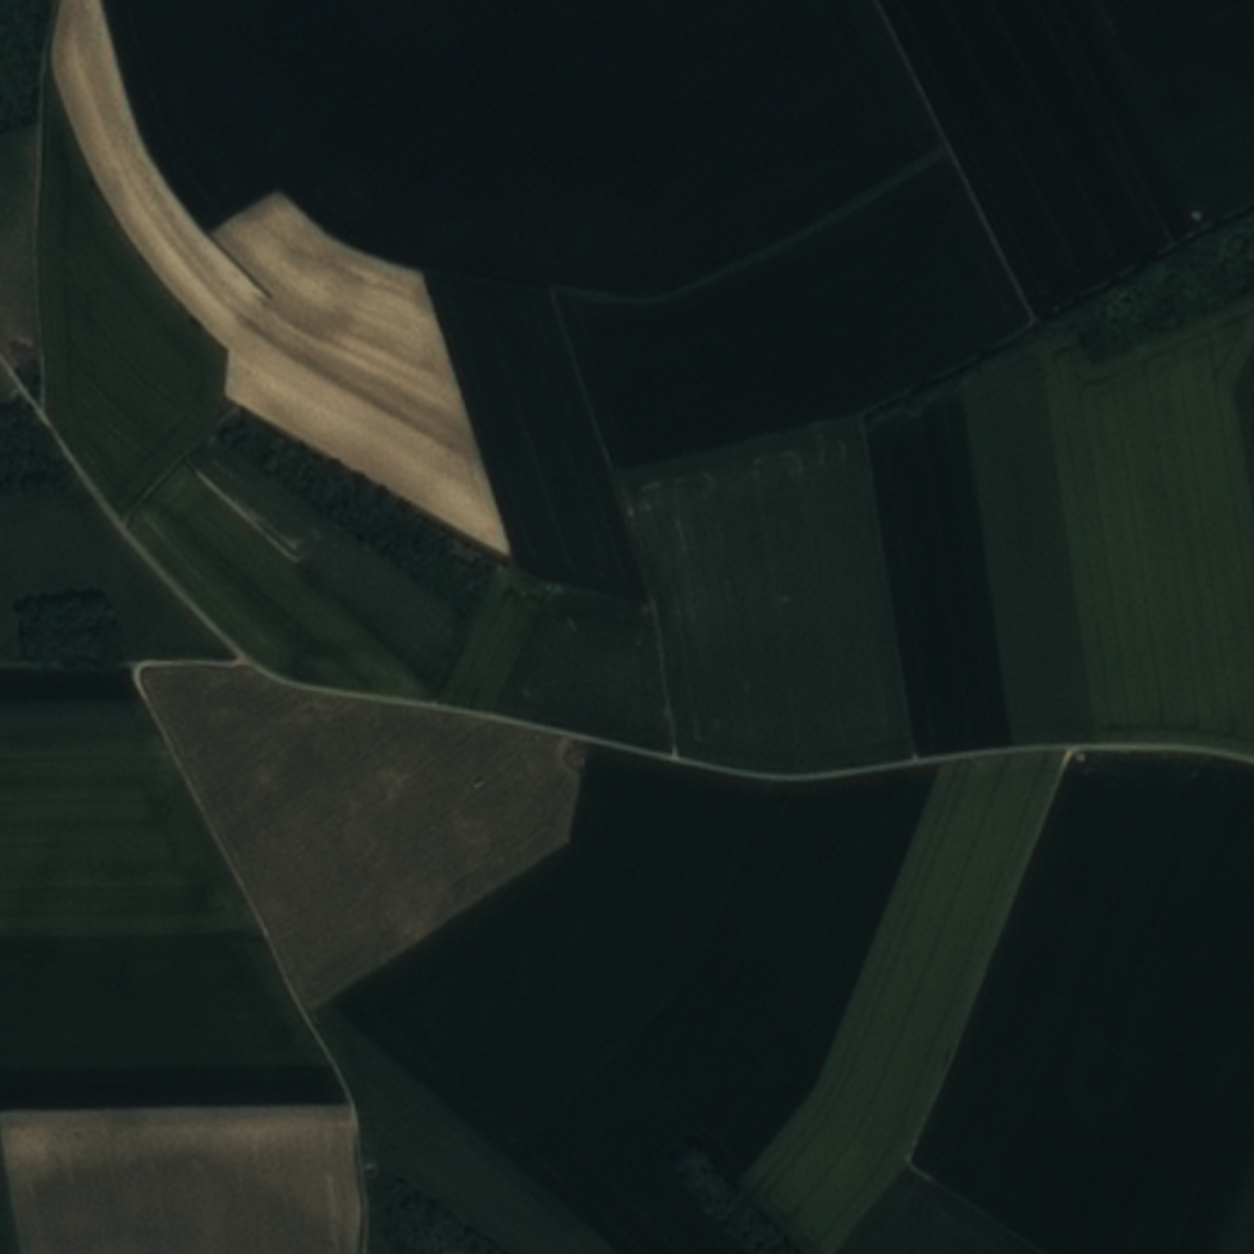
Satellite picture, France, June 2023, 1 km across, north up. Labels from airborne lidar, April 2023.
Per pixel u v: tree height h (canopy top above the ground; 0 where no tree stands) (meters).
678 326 0
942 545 0
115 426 0
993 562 0
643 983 0
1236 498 0
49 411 0
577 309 0
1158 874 0
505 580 0
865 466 0
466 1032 0
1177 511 0
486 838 0
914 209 0
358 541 10
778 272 0
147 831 0
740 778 0
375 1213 0
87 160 0
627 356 0
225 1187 0
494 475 0
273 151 0
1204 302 7
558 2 0
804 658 0
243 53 0
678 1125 0
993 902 0
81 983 0
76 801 0
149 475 0
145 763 0
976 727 0
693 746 0
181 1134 0
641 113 0
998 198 0
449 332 0
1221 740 0
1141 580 0
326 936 0
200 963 0
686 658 0
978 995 0
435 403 0
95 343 0
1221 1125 0
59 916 0
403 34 0
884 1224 0
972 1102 0
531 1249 0
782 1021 0
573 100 0
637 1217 0
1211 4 0
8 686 0
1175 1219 0
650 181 0
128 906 0
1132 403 0
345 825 0
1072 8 0
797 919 0
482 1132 0
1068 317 9
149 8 0
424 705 0
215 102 0
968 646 0
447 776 0
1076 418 0
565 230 0
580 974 0
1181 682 0
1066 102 0
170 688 0
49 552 0
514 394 0
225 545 0
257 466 8
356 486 16
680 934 0
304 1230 0
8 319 0
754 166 0
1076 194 0
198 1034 0
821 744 0
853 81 0
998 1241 0
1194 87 0
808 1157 0
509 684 0
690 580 0
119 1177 0
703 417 0
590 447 0
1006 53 0
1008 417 0
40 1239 0
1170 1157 0
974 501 0
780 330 0
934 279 0
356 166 0
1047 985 0
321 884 0
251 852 0
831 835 0
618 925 0
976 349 0
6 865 0
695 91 0
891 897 0
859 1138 0
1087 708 0
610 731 0
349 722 0
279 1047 0
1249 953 0
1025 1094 0
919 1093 0
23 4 7
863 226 0
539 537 0
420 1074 0
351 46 0
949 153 0
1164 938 0
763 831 0
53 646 16
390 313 0
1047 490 0
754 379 0
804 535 0
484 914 0
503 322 0
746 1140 0
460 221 0
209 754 0
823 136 0
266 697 0
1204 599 0
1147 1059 0
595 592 0
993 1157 0
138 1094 0
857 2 0
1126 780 0
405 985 0
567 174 0
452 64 0
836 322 0
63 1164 0
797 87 0
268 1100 0
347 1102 0
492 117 0
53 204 0
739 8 0
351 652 0
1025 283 0
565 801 0
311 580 0
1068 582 0
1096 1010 0
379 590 0
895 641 0
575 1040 0
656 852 0
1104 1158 0
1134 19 0
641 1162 0
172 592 0
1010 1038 0
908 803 0
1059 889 0
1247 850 0
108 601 9
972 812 0
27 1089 0
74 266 0
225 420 0
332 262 0
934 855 0
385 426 0
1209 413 0
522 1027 0
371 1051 0
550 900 0
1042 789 0
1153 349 0
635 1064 0
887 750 0
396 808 0
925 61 0
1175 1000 0
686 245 0
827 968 0
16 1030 0
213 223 0
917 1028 0
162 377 0
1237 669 0
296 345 0
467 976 0
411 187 0
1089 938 0
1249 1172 0
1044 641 0
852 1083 0
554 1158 0
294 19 0
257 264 0
